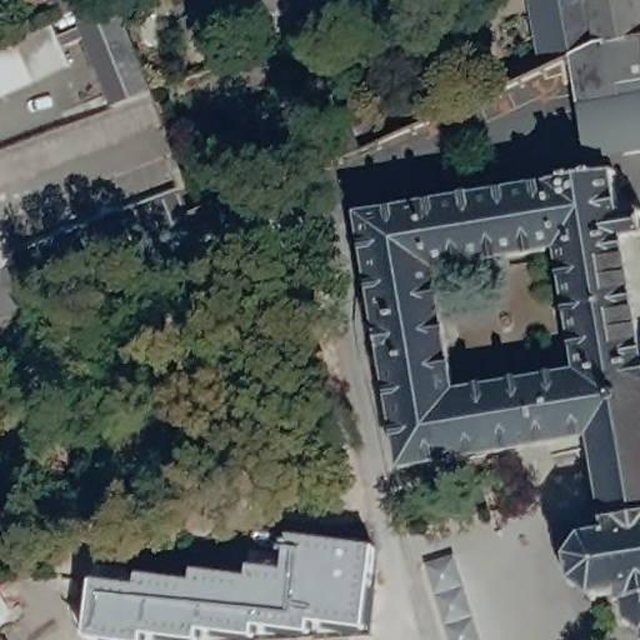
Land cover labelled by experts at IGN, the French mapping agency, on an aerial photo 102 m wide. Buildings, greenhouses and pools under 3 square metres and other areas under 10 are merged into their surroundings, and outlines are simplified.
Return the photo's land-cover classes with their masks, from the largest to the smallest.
<instances>
[{"label":"deciduous trees","instance_id":"1","mask_svg":"<svg viewBox=\"0 0 640 640\"><path fill-rule=\"evenodd\" d=\"M160 5V0H0V53L5 48H15L30 33L55 20L58 28L78 23L98 28L103 23H110V18H123V23L143 25L150 10ZM508 0H338L323 5L320 10H313L298 35H283L280 25L268 23V13L263 8H245L243 3L223 5L205 20H195L190 30L198 50L203 53V60L190 63L185 60L183 30H173L165 23V18H158V45L160 58L153 65V70H158L163 73V78L175 83L200 70H213L220 78L258 75L260 70H265L273 55H290L298 63H303L310 73L328 78L330 98L325 110L313 105H298L295 100L290 103L278 88H268V95L260 103L268 110L280 108L283 120L288 123V140L283 145H245L240 150H225L220 158H213L215 138L203 135L190 120L193 93L175 103L170 93L163 88L153 93V95L160 105L168 145L185 180V195L200 200L203 193H215L223 205H228L235 215L245 218L238 233L218 235L205 248L203 258H195L193 263L158 260L153 268L145 265V248L140 243L125 245L123 238L100 235L93 240H83L80 250H73L63 258H50L43 268H33L23 280L18 278L13 285L5 288L18 298L15 313H20V325L25 328V335L20 345L0 348V585L23 578L50 580L55 578V568L63 563V553L73 555L83 545H88L93 560L125 563L143 550L160 553L188 548L195 538L230 540L238 533H245L250 538H260L265 525H275L278 520H283L285 513L293 510L320 518L328 513L348 510L343 495L350 490L355 478L345 453L353 448H363V438L358 430L355 410H343V405L325 395L330 390V373L320 358V350L333 340L343 338L345 333H350L353 313L348 315L343 305L348 288H355L353 270H335L330 263L338 255V235L330 215L343 208V190L338 173H328V163L340 153H353L358 148L355 135L383 128L388 118H413L415 123L430 120L435 130H440V125L445 123L480 118L488 110L498 113L505 105V85L510 80L505 65H500L493 58V50L480 60H468L475 45L463 43L465 33L493 28L500 5H505ZM158 420L180 428L173 440L175 458L170 465L160 463L158 450L148 453L138 470V478L133 480V493L125 495L123 483L113 480L105 490V503L88 520H50L45 513L38 510L35 503L40 498H48L53 490H60L65 485V480L50 478L53 470H63V465L70 463L73 473L83 475L90 468L95 448H123L125 443H130L133 433H140L145 425ZM495 155V143L488 135L470 130L448 143L443 158L445 165L455 168L460 175L483 170ZM530 295L540 303H553V275L548 273L545 258L528 265ZM520 343L525 348H548L553 343V333L545 325L535 323L528 325ZM488 490L495 493L498 513L505 518L525 515L528 508H540L543 485L533 483V470L523 465L520 455L515 453H495L488 455L483 463L468 460L463 468L440 473L428 483H408L403 500H388L383 505L395 535H420L430 523L440 520L473 523L480 518L483 523H488ZM588 613L595 618V628L605 630L603 640H615L613 608L593 605L588 608Z\"/></svg>","mask_w":640,"mask_h":640},{"label":"building","instance_id":"2","mask_svg":"<svg viewBox=\"0 0 640 640\"><path fill-rule=\"evenodd\" d=\"M523 13L528 25V50H553L560 58L510 80L505 85L508 90H515L525 88L538 78L560 80L565 85V100H560L558 108L578 123V135L583 145L598 148L603 155L613 160H623L625 150L640 148V0H525ZM83 43L88 50V60L95 68L98 80L103 85L105 100L118 103L140 90H148L153 95V93L150 80L140 75V63L135 60L133 50L125 48L120 30L110 23H103L98 28L78 23L58 28L55 20L30 33L15 48H5L0 53V90L15 93L63 68H70L73 63L65 58V50L78 48ZM615 208V170L605 165H575L553 170L550 175L540 178L503 180L495 185H473L418 198L355 205L350 208V228L345 230L353 270L355 288L353 300L360 308L363 343L375 395V415L378 425L385 428L393 445V470L430 463L433 448H443L468 460L483 463L488 455L495 453H515V445L520 443L565 435L578 438V458L585 460L588 468L590 498L588 508L573 510L568 515L573 530L565 535L560 548H555V555L565 565L570 590L580 593L583 598H593V605L613 608L615 640H640V333L630 325V303L625 290V270L618 238L628 230H640V210H633V215L628 218H605V210ZM448 250L468 255L475 253L478 258L495 260V255L513 260L535 253H545V258L548 273L553 275V303L558 328L555 338L565 343L568 360L565 365H553L543 370L453 383L450 350L440 348L438 325L433 283L423 280L425 275L418 273V263L428 265L433 258H440V253ZM375 563V548L368 543L283 533L278 540L275 565L245 563L240 573L208 568H188L185 575L133 573L130 580L85 578L80 598V628L85 630L80 633V640H310L370 635L375 593L368 590Z\"/></svg>","mask_w":640,"mask_h":640},{"label":"impervious surface","instance_id":"3","mask_svg":"<svg viewBox=\"0 0 640 640\"><path fill-rule=\"evenodd\" d=\"M243 3L245 8H263L268 13V23L280 25L283 35H298L313 10H320L323 5L338 0H160V5L150 10L143 25V45H158V18H165V23L173 30H190L195 20H205L223 5ZM525 0H508L505 5H500L493 28L465 33L463 43L475 45L468 60H480L493 50V58L500 65H505L510 80L560 58L553 50H528V25L523 13ZM65 58L73 63L70 68H63L15 93L0 90V328L10 325L15 313L18 298L5 288L13 285L18 278L23 280L33 268H43L50 258H63L73 250H80L83 240H93L100 235L123 238L125 245L140 243L145 248V265L153 268L158 260L193 263L195 258H203L205 248L218 235L238 233L245 218L235 215L228 205H223L215 193H203L200 200L185 195V180L168 145L160 105L153 95L148 90H140L118 103L105 100L103 85L98 80L95 68L88 60V50L83 43L78 48L65 50ZM268 88H278L290 103L295 100L298 105H313L325 110L330 98L328 78L310 73L303 63H298L290 55H273L265 70H260L258 75L220 78L213 88L193 93L190 120L203 135L215 138L213 158H220L225 150H240L245 145H283L288 140V123L283 120L280 108L268 110L260 103L268 95ZM505 105L498 113L488 110L480 118L445 123L440 125V130H435L430 120L415 123L413 118H388L383 128L355 135L358 148L353 153H340L328 163V173H338L343 190V208L330 215L338 235V255L330 263L335 270H353L345 230L350 228V208L355 205L418 198L473 185H495L503 180L540 178L550 175L553 170L575 165H605L615 170V208L605 210V218H628L633 215V210H640V148L625 150L623 160H613L603 155L598 148L583 145L578 135V123L558 108L560 100H565V85L560 80L538 78L525 88L515 90H508L505 85ZM470 130L488 135L495 143V155L483 170L460 175L455 168L445 165L443 158L448 143ZM625 270V290L630 303V325L640 333V230H628L618 238ZM355 288H348L343 305L348 315L353 313L350 333H345L343 338L333 340L320 350V358L330 373V390L325 395L343 405V410H355L358 430L363 438V448H353L345 453L355 478L350 490L343 495L348 510L358 513L365 523L370 533L368 543L375 548V563L368 590L375 593V588L383 585V580H388L405 565L413 585L410 605L420 640H603L605 630L595 628V618L588 613V608L593 605V598H583L580 593L570 590L565 565L555 555V548H560L565 535L573 530L568 515L573 510L588 508L590 498L588 468L585 460L578 458V438L565 435L520 443L515 445V453L520 455L523 465L533 470V483L543 485L540 508H528L525 515L505 518L498 513L495 493L488 490V523H483L480 518L473 523L440 520L430 523L420 535H395L383 505L388 500H403L408 483H428L440 473L463 468L468 460L443 448H433L430 463L393 470V445L385 428L378 425L375 415V395L363 343L360 308L353 300ZM73 555L63 553V563L55 568V578L50 580L23 578L0 585V640H40L48 633H53L58 623L70 613L68 588Z\"/></svg>","mask_w":640,"mask_h":640},{"label":"herbaceous vegetation","instance_id":"4","mask_svg":"<svg viewBox=\"0 0 640 640\"><path fill-rule=\"evenodd\" d=\"M185 60L190 63L203 60V53L198 50L190 30H183ZM220 78L213 70H200L175 83L163 78V73L158 70L150 80L153 93L163 88L170 93L175 103L193 93L213 88ZM545 258V253H535L513 260L495 255V260L500 265V293L475 315H455L453 320L438 325L440 348L450 350L453 383L543 370L553 365H565L568 360L565 343L555 338L558 328L553 303H540L530 295L528 265ZM535 323L545 325L553 333V343L548 348H525L520 343L528 325ZM25 335V328L20 325V313H15L10 325L0 328V348L20 345ZM180 428L158 420L145 425L140 433H133L130 443H125L123 448H95L90 468L83 475L73 473L70 463L63 465V470H53L50 478L65 480V485L60 490H53L48 498H40L35 503L38 510L45 513L50 520H88L105 503V490L113 480L123 483L125 495L133 493V480L138 478V470L148 453L158 450L160 463L170 465L175 458L173 440Z\"/></svg>","mask_w":640,"mask_h":640},{"label":"pervious surface","instance_id":"5","mask_svg":"<svg viewBox=\"0 0 640 640\"><path fill-rule=\"evenodd\" d=\"M283 533L368 543L370 533L365 523L358 513L348 510L328 513L320 518L293 510L285 513L283 520H278L275 525H265L260 538H250L245 533H238L230 540L195 538L188 548L160 553L143 550L125 563L93 560L88 545H83L73 555L68 588L70 613L58 623L53 633H48L40 640H80V633L85 630L80 628V598L85 578L130 580L133 573L185 575L188 568H208L240 573L245 563L275 565L278 540ZM413 585L405 565L388 580H383V585L375 588V593L370 635L310 640H420L410 605Z\"/></svg>","mask_w":640,"mask_h":640},{"label":"coniferous trees","instance_id":"6","mask_svg":"<svg viewBox=\"0 0 640 640\"><path fill-rule=\"evenodd\" d=\"M418 273L425 275L423 280L433 283L438 325L453 320L455 315H475L500 293V265L495 260L478 258L475 253L468 255L448 250L440 253V258H433L428 265L418 263Z\"/></svg>","mask_w":640,"mask_h":640},{"label":"brushwood","instance_id":"7","mask_svg":"<svg viewBox=\"0 0 640 640\"><path fill-rule=\"evenodd\" d=\"M120 30L125 48L133 50L135 60L140 63V75L150 80L158 70H153V65L160 58L158 45H143V25L123 23V18H110V23Z\"/></svg>","mask_w":640,"mask_h":640}]
</instances>
